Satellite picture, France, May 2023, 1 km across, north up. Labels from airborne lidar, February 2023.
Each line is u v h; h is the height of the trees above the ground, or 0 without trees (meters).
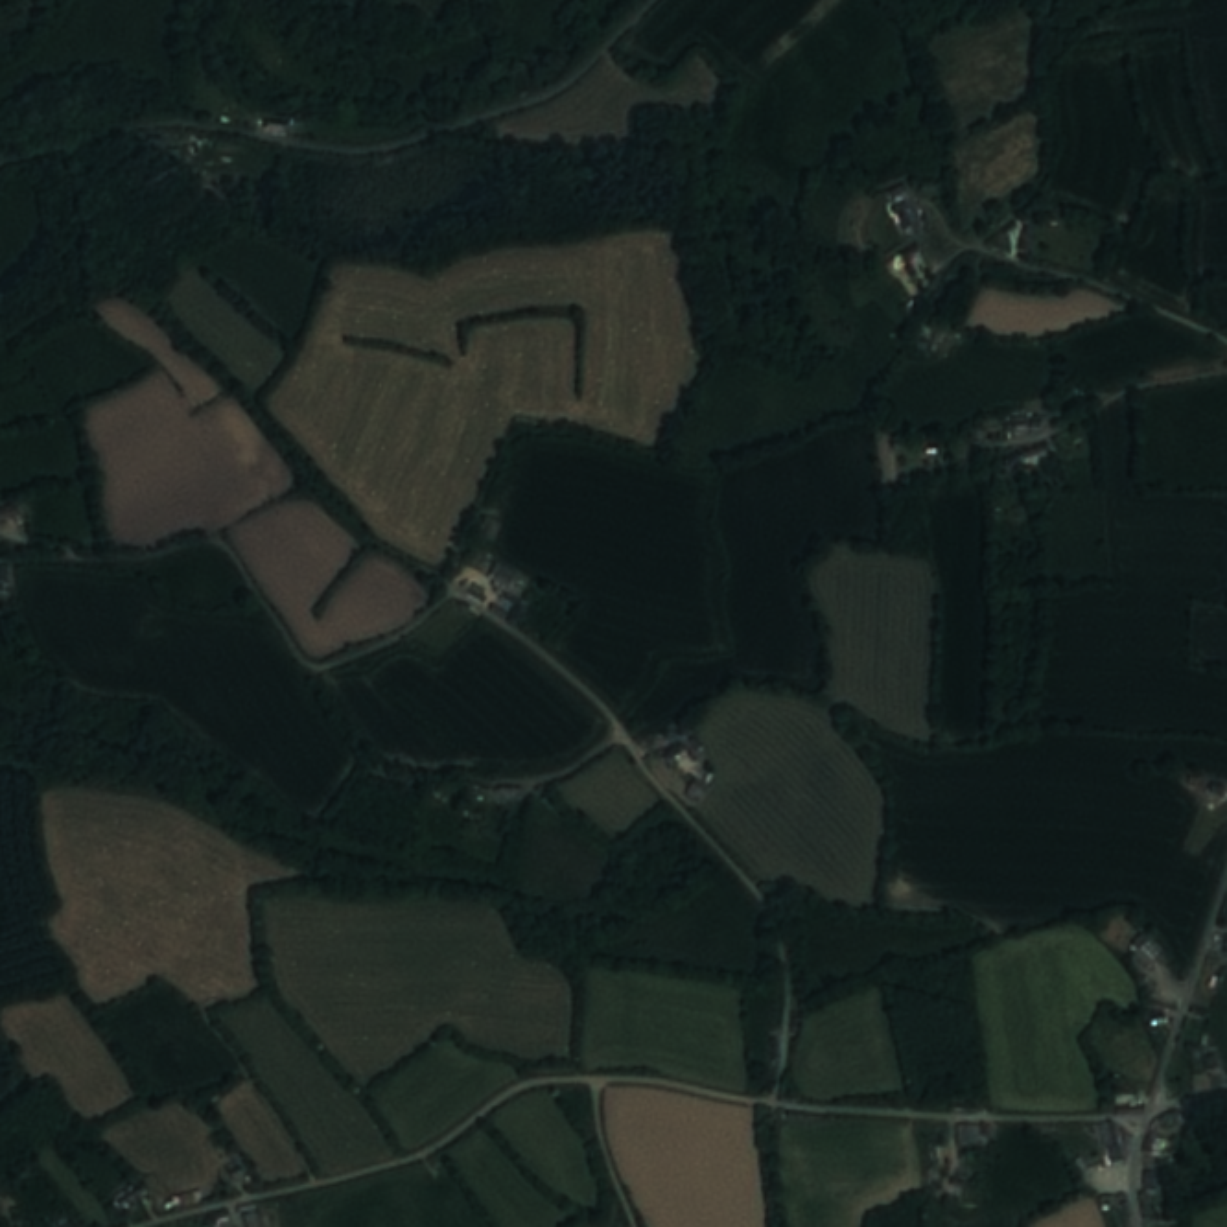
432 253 21
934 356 0
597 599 0
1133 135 0
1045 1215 9
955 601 0
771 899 12
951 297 11
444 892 15
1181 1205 14
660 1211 0
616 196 29
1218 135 0
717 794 0
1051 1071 0
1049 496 17
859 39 0
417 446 0
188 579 0
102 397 7
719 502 0
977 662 0
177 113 9
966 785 0
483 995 0
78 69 7
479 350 0
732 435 0
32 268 19
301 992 0
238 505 0
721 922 0
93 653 0
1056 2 18
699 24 0
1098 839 0
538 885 0
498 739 0
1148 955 0
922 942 0
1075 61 0
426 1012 0
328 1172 0
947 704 0
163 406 0
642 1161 0
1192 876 0
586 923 8
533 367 0
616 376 0
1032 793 0
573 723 0
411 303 0
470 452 0
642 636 0
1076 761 0
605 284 0
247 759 0
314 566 0
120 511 0
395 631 10
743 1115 0
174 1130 0
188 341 13
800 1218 0
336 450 0
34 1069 0
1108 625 0
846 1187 0
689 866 13
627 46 0
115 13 0
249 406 7
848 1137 0
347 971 0
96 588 0
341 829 15
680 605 0
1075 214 11
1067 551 0
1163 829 0
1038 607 18
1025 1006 0
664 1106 0
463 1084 0
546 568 0
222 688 0
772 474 0
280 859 18
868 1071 0
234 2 20
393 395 0
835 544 8
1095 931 9
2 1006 9
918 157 0
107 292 19
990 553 13
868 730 9
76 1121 14
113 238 19
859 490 0
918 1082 9
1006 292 7
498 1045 0
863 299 0
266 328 10
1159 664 0
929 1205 8
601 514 0
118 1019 0
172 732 8
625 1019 0
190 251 16
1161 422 0
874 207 0
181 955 0
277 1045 0
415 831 8
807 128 0
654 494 0
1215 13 0
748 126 0
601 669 0
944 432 10
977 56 0
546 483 0
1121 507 0
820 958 0
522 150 14
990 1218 0
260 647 0
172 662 0
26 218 0
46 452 0
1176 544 0
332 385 0
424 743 0
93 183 19
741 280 12
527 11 0
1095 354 0
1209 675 12
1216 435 0
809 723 0
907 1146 0
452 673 0
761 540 0
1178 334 0
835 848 0
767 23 0
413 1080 0
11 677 0
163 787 21
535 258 0
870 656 0
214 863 0
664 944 0
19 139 15
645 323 0
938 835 0
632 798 0
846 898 0
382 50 18
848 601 0
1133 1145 0
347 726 8
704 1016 0
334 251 13
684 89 0
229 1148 9
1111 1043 0
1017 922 0
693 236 20
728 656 0
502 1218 0
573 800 0
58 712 17
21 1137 14
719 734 0
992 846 0
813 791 0
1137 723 0
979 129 9
